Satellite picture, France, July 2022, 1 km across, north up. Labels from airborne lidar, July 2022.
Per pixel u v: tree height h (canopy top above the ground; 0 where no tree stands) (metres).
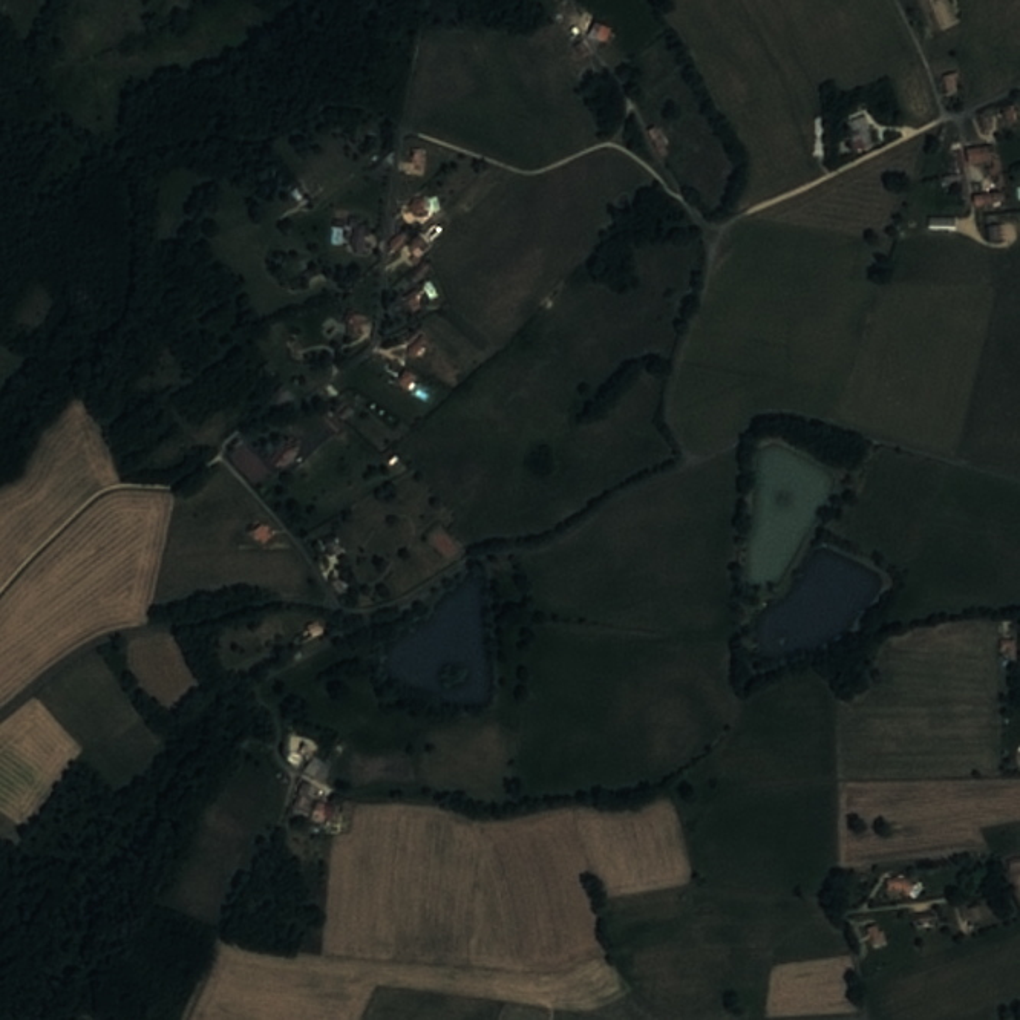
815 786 0
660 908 0
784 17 0
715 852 0
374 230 7
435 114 0
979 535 0
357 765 0
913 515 0
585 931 0
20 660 0
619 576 0
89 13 0
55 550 0
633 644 0
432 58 0
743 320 0
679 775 7
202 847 0
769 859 0
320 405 17
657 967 0
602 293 0
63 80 0
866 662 12
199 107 15
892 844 0
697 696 0
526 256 0
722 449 0
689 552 0
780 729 0
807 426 18
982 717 0
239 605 8
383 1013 0
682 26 0
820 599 0
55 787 9
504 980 0
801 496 0
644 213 15
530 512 0
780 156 0
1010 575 0
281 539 0
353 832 0
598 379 0
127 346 20
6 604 0
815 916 0
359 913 0
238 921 17
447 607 0
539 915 0
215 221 7
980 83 0
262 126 22
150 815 14
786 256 0
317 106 16
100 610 0
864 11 0
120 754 0
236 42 0
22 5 0
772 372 0
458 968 0
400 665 0
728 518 0
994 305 0
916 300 0
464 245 0
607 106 14
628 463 0
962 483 0
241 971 0
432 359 0
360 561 7
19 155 15
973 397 0
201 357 15
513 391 0
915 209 0
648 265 0
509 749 0
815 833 0
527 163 0
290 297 0
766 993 0
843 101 7
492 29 18
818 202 0
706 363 0
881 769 0
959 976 0
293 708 19
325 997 0
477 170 9
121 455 7
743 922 0
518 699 12
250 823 0
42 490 0
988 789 0
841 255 0
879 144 6
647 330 0
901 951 0
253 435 13
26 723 0
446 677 6
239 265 0
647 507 0
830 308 0
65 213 19
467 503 0
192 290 16
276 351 0
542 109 0
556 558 0
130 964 10
